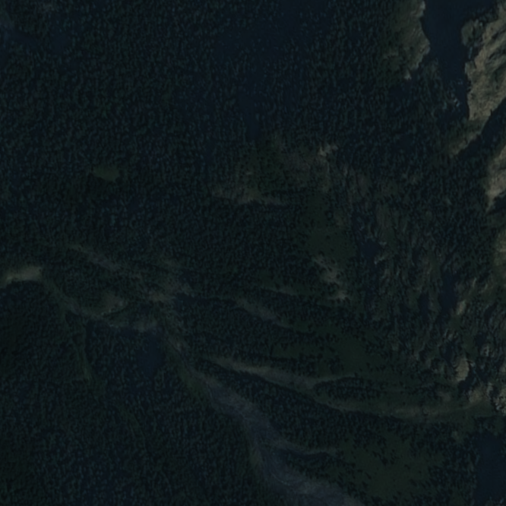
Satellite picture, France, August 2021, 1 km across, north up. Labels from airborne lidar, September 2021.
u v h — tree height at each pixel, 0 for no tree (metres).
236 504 12
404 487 0
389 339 8
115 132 20
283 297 13
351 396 13
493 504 0
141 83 14
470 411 0
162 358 14
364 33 14
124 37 26
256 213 25
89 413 16
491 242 6
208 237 23
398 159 22
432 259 0
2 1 16
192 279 16
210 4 19
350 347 0
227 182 9
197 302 18
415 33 0
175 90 10
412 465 0
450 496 8
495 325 0
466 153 6
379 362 0
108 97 13
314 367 15
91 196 20
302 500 0
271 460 0
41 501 15
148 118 19
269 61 10
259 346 13
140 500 26
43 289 20
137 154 14
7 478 14
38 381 9
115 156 28
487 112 0
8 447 24
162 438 16
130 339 7
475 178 5
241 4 7
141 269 19
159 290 13
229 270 19
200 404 15
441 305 0
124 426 21
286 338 17
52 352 18
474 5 7
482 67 0
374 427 14
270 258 16
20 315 21
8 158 11
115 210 31
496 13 8
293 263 20
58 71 6
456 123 10
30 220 28
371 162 16
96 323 7
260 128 12
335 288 10
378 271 15
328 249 0
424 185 7
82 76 29
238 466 27
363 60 17
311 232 6
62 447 20
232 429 6
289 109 10
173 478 17
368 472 0
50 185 25
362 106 29
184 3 15
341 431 16
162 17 12
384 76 14
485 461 0
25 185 24
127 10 30
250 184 9
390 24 22
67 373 13
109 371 8
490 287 0
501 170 0
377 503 7
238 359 18
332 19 7
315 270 9
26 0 17
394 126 17
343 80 11
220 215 12
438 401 6
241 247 18
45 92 16
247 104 6
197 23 12
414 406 0
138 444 18
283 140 6
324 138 17
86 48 21
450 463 9
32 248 18
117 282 12
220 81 12
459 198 12
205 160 10
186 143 10
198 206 14
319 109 27
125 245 25
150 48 21
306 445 13
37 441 16
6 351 21
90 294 17
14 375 21
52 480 17
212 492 19
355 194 5
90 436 13
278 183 13
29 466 22
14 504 11
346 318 12
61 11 11
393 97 8
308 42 21
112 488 26
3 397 15
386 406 0
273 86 26
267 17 11
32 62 24
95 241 20
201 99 13
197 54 18
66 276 17
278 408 34
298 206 8
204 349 12
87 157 19
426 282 5
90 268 18
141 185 19
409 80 0
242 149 11
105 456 13
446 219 7
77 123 24
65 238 22
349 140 14
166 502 11
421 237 0
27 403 31
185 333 8
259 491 15
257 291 12
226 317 19
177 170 31
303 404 12
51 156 32
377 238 7
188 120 28
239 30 12
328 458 12
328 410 14
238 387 25
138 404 24
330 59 23
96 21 20
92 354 28
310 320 16
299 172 15
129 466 13
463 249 7
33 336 26
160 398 28
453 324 0
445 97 9
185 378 0
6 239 20
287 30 9
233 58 18
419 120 10
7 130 13
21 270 9
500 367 0
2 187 23
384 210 0
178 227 17
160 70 6
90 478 29
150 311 12
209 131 18
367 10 11
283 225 15
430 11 0
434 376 11
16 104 31
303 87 27
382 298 9
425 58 0
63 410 25
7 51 6
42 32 14
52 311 17
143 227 22
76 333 14
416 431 7
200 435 25
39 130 7
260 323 14
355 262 12
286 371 14
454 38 10
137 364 12
